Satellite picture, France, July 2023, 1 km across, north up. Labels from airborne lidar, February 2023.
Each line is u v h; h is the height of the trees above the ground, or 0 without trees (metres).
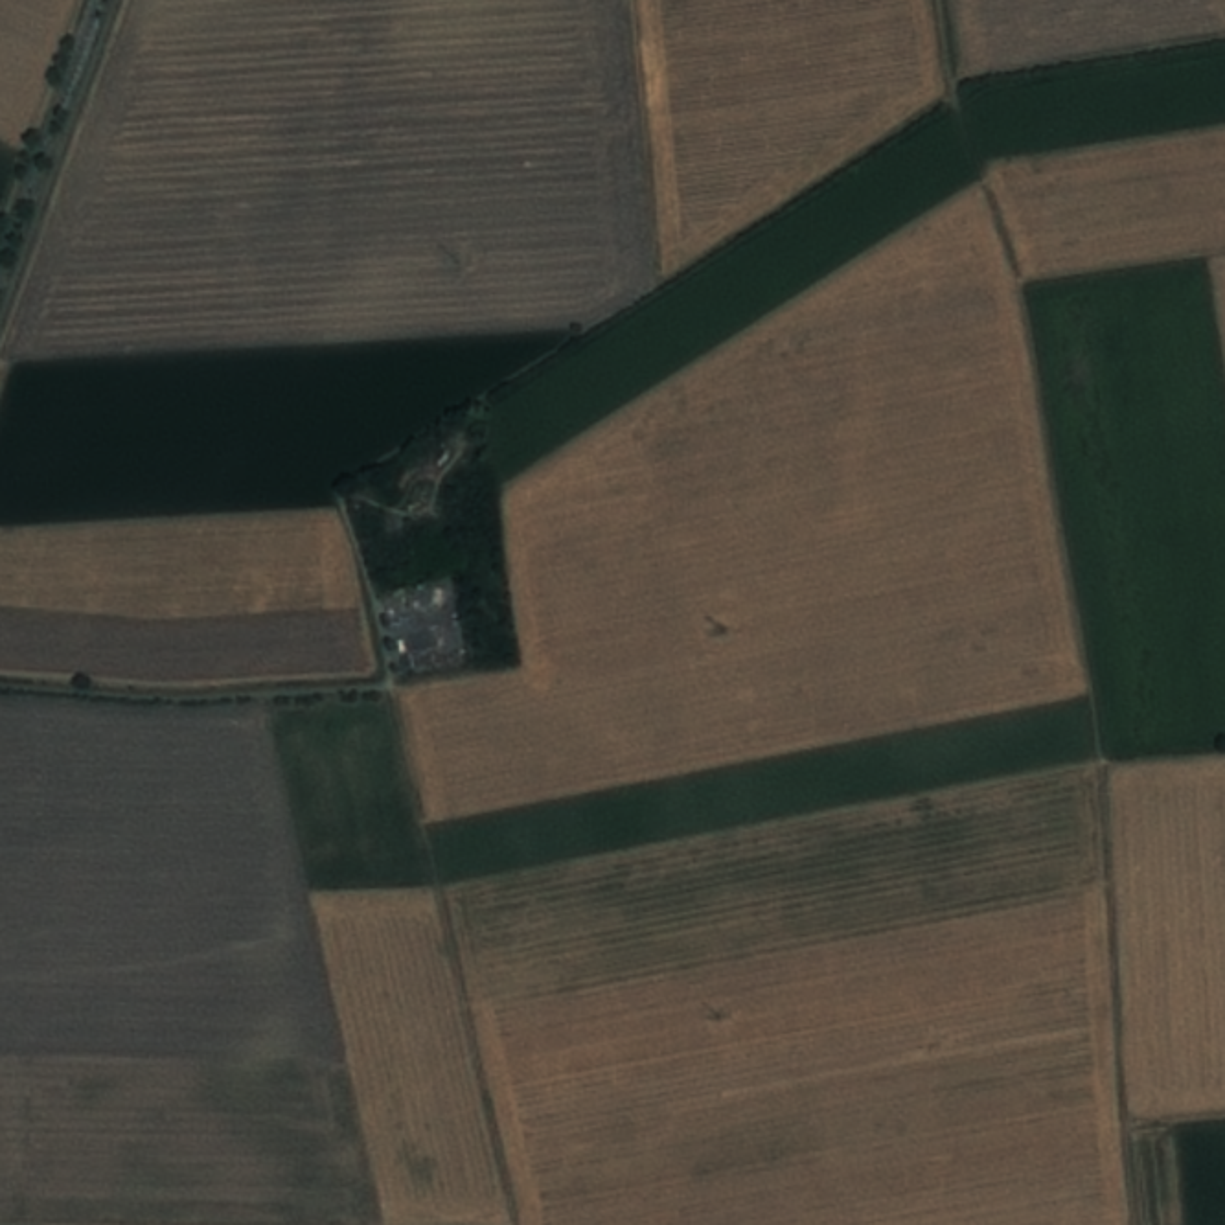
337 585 0
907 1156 0
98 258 0
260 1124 0
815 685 0
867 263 0
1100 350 0
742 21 0
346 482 13
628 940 0
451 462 0
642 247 0
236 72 0
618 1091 0
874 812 0
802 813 0
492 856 0
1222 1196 0
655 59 0
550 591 0
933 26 0
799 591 0
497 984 0
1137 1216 0
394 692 0
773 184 0
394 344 0
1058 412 0
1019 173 0
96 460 0
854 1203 0
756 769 0
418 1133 0
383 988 0
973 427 0
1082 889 0
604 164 0
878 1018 0
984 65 0
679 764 0
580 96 0
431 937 0
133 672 0
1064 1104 0
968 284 0
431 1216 0
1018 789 0
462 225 0
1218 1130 0
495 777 0
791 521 0
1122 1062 0
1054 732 0
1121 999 0
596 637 0
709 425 0
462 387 0
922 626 0
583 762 0
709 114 0
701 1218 0
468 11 0
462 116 0
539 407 0
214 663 0
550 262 0
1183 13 0
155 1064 0
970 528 0
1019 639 0
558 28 0
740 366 0
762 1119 0
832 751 0
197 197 0
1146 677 0
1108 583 0
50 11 0
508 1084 0
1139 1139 0
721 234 0
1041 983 0
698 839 0
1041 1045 0
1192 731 0
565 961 0
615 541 0
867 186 0
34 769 0
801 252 0
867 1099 0
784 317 0
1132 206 0
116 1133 0
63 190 0
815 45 0
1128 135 0
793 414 0
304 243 0
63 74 13
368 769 0
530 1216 0
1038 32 0
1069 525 0
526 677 0
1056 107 0
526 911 0
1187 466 0
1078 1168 0
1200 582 0
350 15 0
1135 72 0
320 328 0
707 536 0
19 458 0
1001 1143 0
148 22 0
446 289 0
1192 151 0
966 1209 0
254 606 0
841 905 0
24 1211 0
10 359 0
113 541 0
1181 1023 0
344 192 0
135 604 0
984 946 0
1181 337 0
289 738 0
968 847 0
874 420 0
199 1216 0
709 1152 0
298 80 0
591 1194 0
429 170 0
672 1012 0
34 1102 0
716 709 0
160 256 0
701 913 0
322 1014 0
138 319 0
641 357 0
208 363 0
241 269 0
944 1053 0
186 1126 0
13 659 0
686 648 0
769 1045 0
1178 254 0
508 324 0
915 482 0
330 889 0
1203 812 0
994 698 0
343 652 0
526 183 0
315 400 0
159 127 0
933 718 0
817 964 0
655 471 0
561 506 0
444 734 0
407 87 0
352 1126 0
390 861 0
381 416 0
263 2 0
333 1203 0
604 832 0
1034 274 0
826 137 0
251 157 0
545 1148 0
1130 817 0
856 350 0
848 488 0
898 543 0
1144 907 0
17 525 0
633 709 0
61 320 0
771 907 0
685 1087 0
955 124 0
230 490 0
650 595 0
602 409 0
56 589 0
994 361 0
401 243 0
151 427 0
